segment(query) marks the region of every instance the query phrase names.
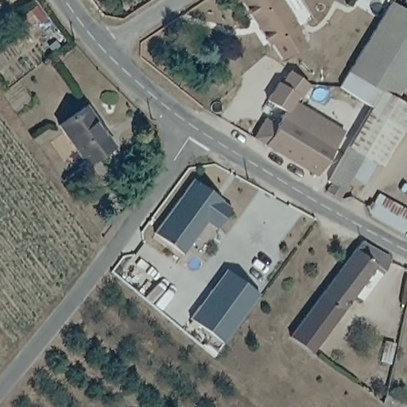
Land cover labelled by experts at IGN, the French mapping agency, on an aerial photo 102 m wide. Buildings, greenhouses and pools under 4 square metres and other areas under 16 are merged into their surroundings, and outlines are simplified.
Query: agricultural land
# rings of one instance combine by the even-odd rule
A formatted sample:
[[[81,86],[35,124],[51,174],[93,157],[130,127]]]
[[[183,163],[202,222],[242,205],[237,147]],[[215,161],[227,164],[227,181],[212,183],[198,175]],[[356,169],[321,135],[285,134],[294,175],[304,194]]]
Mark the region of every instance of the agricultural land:
[[[73,199],[62,180],[62,173],[70,164],[59,156],[57,149],[52,145],[52,141],[59,135],[56,130],[46,130],[38,137],[32,137],[30,127],[22,116],[16,113],[17,110],[14,110],[5,94],[21,79],[35,76],[38,68],[49,60],[52,49],[59,48],[60,41],[64,41],[64,35],[51,22],[38,21],[38,17],[30,11],[27,16],[30,24],[29,38],[17,40],[17,43],[0,52],[0,382],[16,364],[17,359],[21,358],[25,348],[35,340],[41,329],[56,315],[57,310],[67,302],[68,297],[72,296],[97,259],[102,256],[111,238],[121,227],[122,221],[132,213],[127,208],[122,215],[100,218],[91,203]]]

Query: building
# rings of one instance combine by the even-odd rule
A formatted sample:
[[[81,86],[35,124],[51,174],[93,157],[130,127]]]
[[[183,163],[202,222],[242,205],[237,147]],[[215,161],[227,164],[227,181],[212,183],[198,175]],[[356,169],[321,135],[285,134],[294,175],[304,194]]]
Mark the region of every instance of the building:
[[[378,189],[380,196],[374,205],[364,205],[366,215],[374,215],[397,231],[407,229],[407,203],[386,194],[382,189]]]
[[[213,296],[202,308],[196,321],[216,332],[224,340],[229,339],[229,335],[232,335],[238,324],[242,323],[246,312],[253,307],[254,300],[261,294],[262,289],[258,286],[253,288],[251,285],[245,285],[231,270],[227,270],[216,286],[213,286]]]
[[[347,91],[366,105],[372,108],[372,113],[356,135],[355,143],[343,154],[334,175],[326,178],[324,188],[340,199],[350,199],[351,194],[358,196],[377,165],[390,164],[407,130],[407,0],[397,0],[396,5],[390,6],[390,10],[386,11],[382,22],[378,24],[374,35],[356,60],[355,67],[351,68],[342,84],[343,91]]]
[[[394,358],[396,343],[386,343],[386,351],[383,353],[383,362],[390,364],[394,367],[397,362],[397,358]]]
[[[286,87],[285,84],[278,84],[273,94],[266,94],[262,105],[266,105],[272,111],[285,111],[278,132],[273,130],[272,121],[266,121],[259,134],[254,137],[269,146],[270,154],[277,154],[280,157],[281,154],[286,154],[289,159],[300,162],[302,172],[308,169],[310,175],[328,175],[332,164],[329,156],[334,153],[334,148],[339,146],[340,137],[345,129],[342,122],[307,102],[305,94],[308,91],[313,92],[320,87],[308,84],[302,78],[296,73],[289,73],[286,79],[293,84],[293,89]]]
[[[332,329],[353,305],[362,288],[369,285],[370,277],[375,275],[375,272],[386,272],[391,264],[393,256],[390,251],[364,237],[350,258],[340,261],[343,264],[340,272],[335,275],[331,285],[321,294],[320,299],[316,300],[302,323],[291,334],[291,337],[304,343],[315,353],[321,350],[321,343],[328,339]]]
[[[296,14],[289,8],[286,0],[238,0],[250,19],[256,19],[267,40],[277,45],[280,51],[293,52],[299,48],[307,48],[307,41],[302,25],[297,22]]]
[[[38,21],[51,22],[48,14],[41,10],[41,6],[35,6],[30,11],[38,17]]]
[[[76,157],[89,159],[94,167],[100,162],[103,156],[113,151],[116,143],[113,141],[113,132],[105,126],[105,122],[91,103],[73,118],[62,122],[62,127],[76,146],[75,153],[72,153],[73,161]]]
[[[223,196],[219,189],[211,191],[210,186],[203,184],[202,181],[191,181],[191,186],[183,192],[183,197],[176,200],[176,205],[169,211],[169,216],[164,218],[164,223],[157,227],[156,234],[175,243],[184,253],[191,250],[192,242],[202,234],[207,224],[221,227],[234,213],[231,200]]]

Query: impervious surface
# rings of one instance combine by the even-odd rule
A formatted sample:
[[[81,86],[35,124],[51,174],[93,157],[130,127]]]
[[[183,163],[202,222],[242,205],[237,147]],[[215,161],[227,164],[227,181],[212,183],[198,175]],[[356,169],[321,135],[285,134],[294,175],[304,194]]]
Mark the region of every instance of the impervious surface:
[[[277,45],[267,40],[256,19],[250,19],[250,25],[242,29],[234,32],[231,25],[219,25],[218,29],[224,33],[235,33],[238,37],[254,33],[262,45],[269,46],[273,52],[280,51]]]
[[[57,149],[59,156],[70,164],[73,161],[72,153],[75,153],[76,146],[62,127],[57,129],[56,130],[59,135],[52,141],[52,145]]]
[[[297,22],[302,25],[307,41],[313,32],[323,29],[324,25],[331,21],[337,10],[351,13],[358,11],[359,8],[364,11],[372,10],[372,21],[378,24],[382,22],[386,11],[390,10],[390,6],[396,5],[397,0],[337,0],[332,3],[328,14],[318,24],[310,25],[310,11],[307,10],[304,0],[286,0],[289,8],[296,14]]]
[[[132,213],[122,221],[121,227],[111,238],[102,256],[97,259],[72,296],[68,297],[67,302],[57,310],[56,315],[41,329],[35,340],[25,348],[21,358],[17,359],[16,364],[0,382],[0,399],[10,390],[25,367],[29,366],[30,361],[40,353],[41,348],[45,347],[45,343],[52,335],[62,334],[62,329],[68,326],[65,318],[75,310],[76,305],[79,302],[84,304],[87,299],[99,299],[103,278],[116,278],[119,285],[126,286],[138,299],[146,302],[149,307],[156,308],[159,316],[169,321],[192,345],[196,347],[207,351],[210,356],[218,356],[218,353],[224,350],[224,340],[216,332],[196,321],[202,308],[213,296],[213,286],[216,286],[227,270],[231,270],[245,285],[251,285],[253,288],[258,286],[262,289],[266,286],[267,275],[275,270],[278,262],[283,259],[280,254],[280,242],[288,234],[289,229],[299,218],[308,219],[310,223],[318,221],[320,224],[329,240],[335,235],[339,237],[340,242],[348,240],[351,243],[359,235],[364,237],[390,251],[393,256],[391,264],[402,267],[404,273],[407,273],[407,242],[402,242],[393,235],[386,234],[382,229],[366,223],[347,208],[324,199],[318,192],[324,188],[326,178],[334,175],[343,154],[355,143],[356,135],[372,113],[372,108],[366,105],[358,111],[340,100],[321,103],[320,100],[313,100],[313,92],[308,91],[305,94],[307,102],[342,122],[345,129],[340,137],[339,146],[334,148],[334,153],[329,156],[332,164],[328,175],[310,175],[308,169],[302,172],[300,162],[289,159],[286,154],[281,154],[280,157],[277,154],[270,154],[269,146],[254,137],[253,129],[261,114],[272,111],[266,105],[262,105],[266,94],[273,94],[278,84],[285,84],[286,87],[293,89],[293,84],[286,79],[289,73],[296,73],[302,78],[305,75],[304,70],[296,64],[288,64],[283,68],[270,57],[262,57],[243,75],[242,87],[235,95],[234,102],[229,103],[229,107],[223,111],[213,113],[192,110],[188,113],[178,103],[172,102],[138,72],[134,60],[130,60],[130,57],[134,56],[132,49],[137,45],[138,38],[162,24],[165,10],[178,13],[194,0],[132,0],[122,5],[124,11],[116,17],[124,17],[124,24],[107,25],[107,29],[100,29],[91,21],[91,17],[81,10],[76,0],[46,0],[60,22],[67,27],[68,32],[73,33],[75,43],[86,49],[87,54],[108,73],[114,83],[121,87],[121,91],[129,95],[129,99],[140,110],[145,113],[151,124],[156,124],[165,153],[164,161],[169,162],[169,165],[165,172],[154,178],[153,189],[143,199],[145,203]],[[167,194],[176,186],[176,181],[180,181],[181,175],[186,173],[186,170],[183,170],[184,165],[188,162],[196,164],[200,156],[207,156],[205,153],[208,149],[213,149],[227,161],[250,170],[251,178],[259,181],[259,191],[242,215],[235,219],[231,231],[223,232],[219,229],[218,242],[208,240],[207,251],[191,250],[184,253],[175,243],[156,234],[156,242],[165,246],[164,251],[161,253],[140,242],[141,238],[145,237],[143,229],[151,221],[154,211],[161,208]]]

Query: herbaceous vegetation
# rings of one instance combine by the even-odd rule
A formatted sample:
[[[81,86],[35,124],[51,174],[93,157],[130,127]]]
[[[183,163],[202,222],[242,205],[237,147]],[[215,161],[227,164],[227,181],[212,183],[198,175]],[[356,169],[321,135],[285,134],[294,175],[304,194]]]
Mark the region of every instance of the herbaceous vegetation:
[[[253,129],[254,137],[259,134],[266,121],[272,121],[273,130],[278,132],[285,111],[272,111],[261,114]]]
[[[289,229],[288,234],[280,242],[280,254],[283,259],[288,256],[294,243],[304,234],[310,223],[308,219],[299,218]]]
[[[107,25],[124,24],[124,17],[116,17],[105,14],[105,6],[99,0],[76,0],[81,10],[91,17],[91,21],[100,29],[107,29]]]
[[[351,68],[355,67],[356,60],[374,35],[378,24],[372,21],[372,10],[364,11],[359,8],[358,11],[351,13],[337,10],[331,21],[324,25],[323,29],[313,32],[307,41],[307,48],[299,48],[293,52],[280,51],[273,52],[269,46],[262,45],[254,33],[238,37],[242,40],[243,54],[229,62],[231,79],[223,84],[211,84],[207,92],[196,92],[188,87],[188,83],[183,81],[181,76],[169,76],[169,68],[154,64],[153,57],[164,52],[162,41],[167,40],[170,33],[178,32],[184,19],[189,24],[218,29],[219,25],[231,25],[234,32],[242,29],[232,17],[232,10],[224,8],[223,0],[194,0],[178,13],[165,10],[162,24],[138,38],[137,45],[132,49],[134,56],[130,57],[130,60],[134,60],[138,72],[172,102],[178,103],[188,113],[192,110],[213,113],[223,111],[229,107],[229,103],[234,102],[235,95],[242,87],[243,75],[262,57],[270,57],[283,68],[288,64],[296,64],[304,70],[305,75],[302,78],[308,84],[320,87],[328,91],[328,95],[320,100],[321,103],[340,100],[358,111],[366,105],[347,91],[343,91],[342,84]]]
[[[310,25],[318,24],[328,14],[332,3],[337,0],[304,0],[307,10],[310,11]]]
[[[304,243],[299,245],[293,261],[281,270],[266,294],[261,294],[254,300],[253,307],[246,312],[242,323],[238,324],[232,335],[229,335],[229,339],[224,340],[224,350],[218,353],[218,356],[210,356],[207,351],[196,347],[189,355],[189,359],[196,364],[207,362],[211,372],[226,375],[235,388],[234,396],[224,397],[213,383],[205,382],[197,386],[199,394],[211,397],[215,407],[407,407],[407,401],[399,402],[391,396],[386,396],[385,401],[382,401],[374,391],[359,385],[355,385],[350,378],[329,366],[320,356],[316,356],[315,353],[304,343],[291,337],[291,334],[302,323],[316,300],[320,299],[321,294],[331,285],[335,275],[340,272],[343,264],[340,261],[350,258],[364,237],[359,235],[351,243],[348,240],[340,242],[339,237],[335,235],[329,240],[320,224],[310,232]]]
[[[164,251],[165,246],[156,242],[156,234],[157,227],[164,223],[164,218],[169,216],[169,211],[176,205],[176,200],[183,197],[183,192],[191,186],[191,181],[202,181],[203,184],[210,186],[211,191],[219,189],[223,196],[231,200],[234,213],[221,227],[207,224],[202,234],[192,242],[191,250],[207,251],[208,240],[218,242],[219,229],[223,232],[231,231],[235,219],[242,215],[259,191],[259,181],[251,178],[250,170],[227,161],[213,149],[208,149],[205,153],[207,156],[200,156],[196,164],[188,162],[184,165],[183,170],[186,170],[186,173],[181,175],[180,181],[176,181],[176,186],[167,194],[161,208],[154,211],[151,221],[143,229],[145,237],[141,238],[140,242],[161,253]]]
[[[132,137],[132,118],[127,116],[127,110],[140,110],[129,99],[129,95],[121,91],[121,87],[114,83],[108,73],[87,54],[86,49],[75,43],[75,48],[62,54],[60,60],[81,87],[84,99],[76,99],[73,95],[67,94],[67,84],[57,73],[56,68],[49,64],[49,60],[38,68],[35,76],[21,79],[5,94],[14,110],[17,110],[16,113],[22,116],[30,127],[43,119],[49,119],[54,122],[57,129],[62,127],[62,122],[73,118],[91,103],[105,122],[105,126],[113,132],[113,141],[116,143],[113,151],[103,156],[100,162],[107,167],[111,159],[119,153],[122,143],[129,143]]]
[[[52,335],[45,343],[45,347],[41,348],[40,353],[30,361],[29,366],[25,367],[10,390],[0,399],[0,407],[56,407],[45,394],[33,390],[33,385],[37,382],[33,380],[32,375],[40,375],[43,372],[46,372],[51,380],[59,380],[65,390],[78,401],[79,407],[108,407],[100,401],[89,399],[83,390],[68,382],[65,374],[59,374],[46,364],[46,351],[59,348],[60,351],[64,351],[68,361],[73,364],[79,362],[83,366],[87,377],[99,378],[102,375],[100,369],[92,367],[83,353],[75,353],[62,340],[64,335],[83,331],[86,332],[86,337],[91,339],[89,348],[95,350],[100,345],[107,348],[111,361],[124,362],[129,366],[127,372],[130,375],[138,374],[141,380],[145,380],[141,383],[143,388],[151,393],[159,391],[161,396],[167,396],[164,401],[167,407],[196,407],[192,402],[184,401],[183,397],[176,402],[170,399],[170,386],[165,383],[164,378],[156,375],[164,362],[173,367],[180,366],[180,348],[192,345],[169,321],[159,316],[156,308],[149,307],[146,302],[138,299],[137,320],[121,318],[111,307],[102,321],[92,321],[84,326],[84,329],[79,326],[83,318],[81,308],[84,304],[79,302],[76,305],[75,310],[65,318],[68,326],[62,329],[62,334]],[[121,353],[116,351],[118,343],[127,334],[135,337],[138,358],[121,359]]]
[[[114,394],[114,401],[110,407],[143,407],[138,404],[135,394],[121,390],[121,386],[107,380],[103,382],[103,386]]]
[[[396,337],[383,337],[377,361],[362,358],[347,342],[343,343],[340,350],[343,353],[343,366],[358,375],[362,382],[370,383],[375,378],[380,378],[385,382],[390,364],[383,362],[383,353],[386,351],[386,343],[396,343],[394,358],[397,358],[397,362],[394,367],[394,380],[407,383],[407,304],[399,304],[401,316],[397,323]]]
[[[407,173],[402,176],[399,183],[388,184],[382,189],[386,194],[407,203]]]
[[[0,0],[0,21],[5,19],[6,14],[14,13],[17,8],[33,0]]]

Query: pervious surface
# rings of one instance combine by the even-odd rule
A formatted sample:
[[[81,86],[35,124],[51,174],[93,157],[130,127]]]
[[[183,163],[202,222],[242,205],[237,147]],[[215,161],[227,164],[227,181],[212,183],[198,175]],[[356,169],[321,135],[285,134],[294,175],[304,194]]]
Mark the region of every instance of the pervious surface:
[[[407,173],[407,130],[390,164],[377,165],[358,196],[351,194],[350,199],[340,199],[324,188],[318,192],[324,199],[347,208],[366,223],[382,229],[386,234],[393,235],[402,242],[407,242],[407,229],[397,231],[374,215],[366,215],[364,205],[374,205],[380,196],[378,189],[382,189],[388,184],[399,183],[402,176]]]
[[[396,337],[397,323],[401,316],[399,304],[407,304],[407,273],[404,273],[402,267],[391,264],[386,272],[375,272],[375,275],[370,277],[369,285],[362,288],[353,305],[332,329],[328,339],[321,343],[321,350],[315,353],[316,356],[320,356],[321,351],[331,353],[332,350],[340,350],[343,343],[347,342],[348,326],[355,318],[366,318],[366,323],[375,326],[383,337]]]

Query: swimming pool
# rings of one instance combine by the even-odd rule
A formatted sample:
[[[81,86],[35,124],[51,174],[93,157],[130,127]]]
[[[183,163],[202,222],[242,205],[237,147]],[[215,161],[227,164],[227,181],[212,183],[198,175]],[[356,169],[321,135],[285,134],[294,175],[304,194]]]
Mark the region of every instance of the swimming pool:
[[[313,100],[320,100],[328,95],[328,91],[320,87],[313,92]]]

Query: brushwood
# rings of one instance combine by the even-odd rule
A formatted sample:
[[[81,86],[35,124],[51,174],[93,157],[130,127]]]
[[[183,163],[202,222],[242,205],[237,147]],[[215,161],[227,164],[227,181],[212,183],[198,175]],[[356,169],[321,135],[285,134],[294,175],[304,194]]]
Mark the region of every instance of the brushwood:
[[[266,294],[281,270],[293,261],[299,245],[304,243],[310,232],[320,224],[318,221],[310,223],[304,234],[294,243],[288,256],[283,259],[278,262],[275,270],[267,275],[266,286],[262,289],[261,294]]]
[[[75,48],[75,43],[73,33],[68,32],[67,27],[60,22],[46,0],[33,0],[17,8],[14,13],[19,19],[27,16],[30,11],[35,6],[41,6],[41,10],[48,14],[51,22],[64,35],[64,41],[60,41],[59,48],[52,49],[49,60],[49,64],[56,68],[57,73],[67,84],[67,94],[73,95],[76,99],[84,99],[81,87],[60,60],[62,54]]]
[[[49,119],[43,119],[30,127],[32,137],[38,137],[46,130],[56,130],[57,129],[54,122]]]
[[[350,378],[355,385],[359,385],[362,382],[358,375],[343,366],[343,353],[340,350],[332,350],[331,353],[321,351],[320,356],[329,366]]]

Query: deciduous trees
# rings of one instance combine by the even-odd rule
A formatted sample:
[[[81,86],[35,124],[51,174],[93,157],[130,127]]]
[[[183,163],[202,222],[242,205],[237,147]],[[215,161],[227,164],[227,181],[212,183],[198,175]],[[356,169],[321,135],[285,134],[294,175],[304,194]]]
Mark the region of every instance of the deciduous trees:
[[[184,401],[192,402],[196,407],[215,407],[211,397],[199,394],[197,386],[205,382],[213,383],[224,397],[234,396],[235,388],[226,375],[211,372],[207,362],[196,364],[189,359],[189,355],[196,347],[192,345],[180,348],[180,366],[173,367],[164,362],[156,375],[164,378],[165,383],[170,386],[170,399],[176,402],[183,397]]]
[[[116,17],[124,11],[122,5],[132,0],[99,0],[105,6],[105,14]]]
[[[374,391],[382,401],[385,401],[386,396],[391,396],[399,402],[407,401],[407,383],[394,380],[394,367],[390,364],[385,382],[380,378],[375,378],[370,383],[362,382],[359,385]]]
[[[29,38],[30,24],[27,16],[19,19],[14,13],[6,14],[5,19],[0,21],[0,52],[17,43],[17,40]]]
[[[99,299],[87,299],[84,304],[81,308],[83,318],[79,326],[84,329],[84,326],[92,321],[102,321],[111,307],[121,318],[137,320],[138,299],[126,286],[119,285],[116,278],[103,278]]]
[[[33,380],[37,382],[33,385],[33,390],[45,394],[56,407],[79,407],[78,401],[65,390],[59,380],[51,380],[46,372],[43,372],[40,375],[32,375]]]
[[[121,359],[138,358],[135,337],[127,334],[118,343],[116,351],[121,353]]]
[[[122,215],[127,208],[132,213],[145,203],[143,199],[153,189],[154,178],[165,172],[169,165],[169,162],[164,161],[165,153],[156,124],[151,124],[145,113],[140,110],[127,110],[127,116],[132,118],[132,137],[129,143],[122,143],[119,153],[111,159],[107,167],[100,162],[94,167],[89,159],[76,157],[73,161],[70,164],[62,173],[62,180],[73,199],[91,203],[100,218]]]
[[[235,33],[224,33],[218,29],[189,24],[184,19],[178,32],[170,33],[167,40],[162,41],[164,52],[153,57],[154,64],[169,68],[169,76],[181,76],[183,81],[188,83],[188,87],[196,92],[207,92],[211,84],[223,84],[231,79],[229,62],[243,54],[242,40],[238,37]]]
[[[111,361],[107,348],[100,345],[95,350],[89,348],[91,339],[86,337],[86,332],[83,331],[64,335],[62,340],[75,353],[83,353],[92,367],[100,369],[102,375],[99,378],[87,377],[83,366],[79,362],[73,364],[68,361],[64,351],[60,351],[59,348],[46,351],[46,364],[59,374],[65,374],[68,382],[83,390],[89,399],[100,401],[108,407],[110,407],[114,401],[114,394],[103,386],[103,382],[107,380],[121,386],[121,390],[135,394],[138,404],[143,407],[167,407],[164,401],[167,396],[161,396],[159,391],[151,393],[143,388],[141,383],[145,380],[141,380],[138,374],[130,375],[127,372],[129,366],[124,362]]]
[[[348,326],[347,342],[362,358],[377,361],[383,337],[375,326],[366,323],[366,318],[355,318]]]
[[[242,29],[250,25],[250,19],[238,0],[223,0],[224,8],[232,10],[232,17]]]

